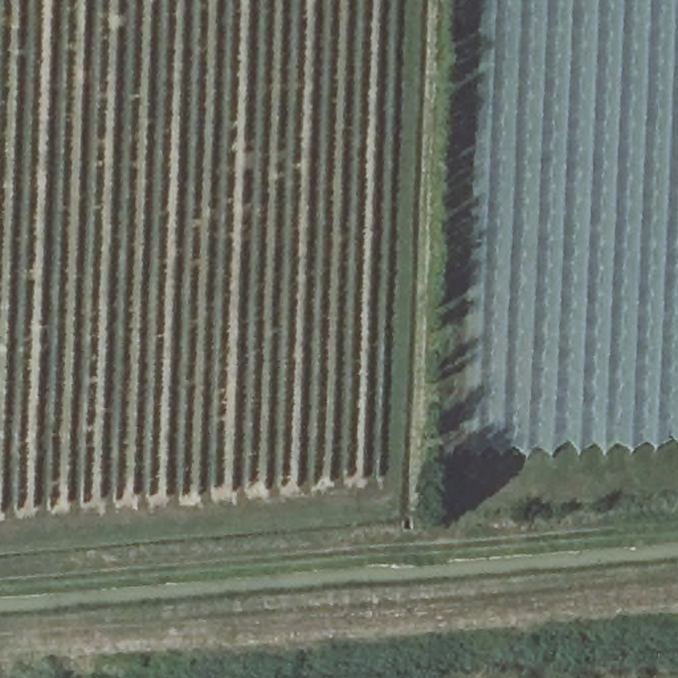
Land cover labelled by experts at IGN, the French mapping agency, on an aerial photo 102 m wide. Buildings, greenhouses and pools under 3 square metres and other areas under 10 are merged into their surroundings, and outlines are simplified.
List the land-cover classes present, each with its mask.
<instances>
[{"label":"vineyard","instance_id":"1","mask_svg":"<svg viewBox=\"0 0 678 678\"><path fill-rule=\"evenodd\" d=\"M456 58L453 0H0V599L82 588H127L146 583H196L220 577H257L395 564L379 561V548H418L416 540H408V509H418V474L426 458L421 437L426 426V405L437 403V387L426 381V344L429 302H440L445 294L448 262L445 151L453 93L450 69Z\"/></svg>","mask_w":678,"mask_h":678},{"label":"deciduous trees","instance_id":"2","mask_svg":"<svg viewBox=\"0 0 678 678\"><path fill-rule=\"evenodd\" d=\"M456 58L450 69L453 93L445 151L448 262L445 294L440 302H429L426 344V381L437 387V403L426 405V426L421 437L426 458L418 474V509H408V540H416L418 548H379V561L395 564L432 567L442 561L577 554L588 548L612 546L636 548L644 543H678V0H453ZM527 498H540L546 503L577 501L583 503V509L567 514L564 519L538 516L532 522H514V506ZM188 606L183 601L135 606L130 601V606L82 609L77 614H45L42 609H32V614L19 617L0 614V652L8 646L11 638L29 628H37V636L42 641H77L90 638L95 633L111 638H164L170 628L180 630L191 620L185 614ZM11 678H678V614H620L606 620L543 622L532 630L477 628L453 633L392 636L379 641L326 638L315 641L310 649L302 652H283L281 646H254L241 652L170 649L79 654L74 659L48 654L37 662L16 659L11 667Z\"/></svg>","mask_w":678,"mask_h":678},{"label":"herbaceous vegetation","instance_id":"3","mask_svg":"<svg viewBox=\"0 0 678 678\"><path fill-rule=\"evenodd\" d=\"M583 509V503L577 501L546 503L540 498H527L514 506V522H532L538 516L564 519L567 514ZM130 601L135 606L183 601L188 606L185 614L191 620L180 630L170 628L164 638H111L95 633L90 638L77 641H42L37 636V628H29L11 638L8 646L0 652V678H11V667L16 659L37 662L48 654L74 659L79 654L170 649L241 652L254 646H281L283 652H302L310 649L315 641L326 638L379 641L392 636L453 633L477 628L532 630L543 622L606 620L620 614H678V543H644L636 548L612 546L588 548L577 554L442 561L432 567L395 564L257 577H220L196 583H146L127 588H82L0 599V614L19 617L32 614V609H42L45 614H77L82 609L130 606Z\"/></svg>","mask_w":678,"mask_h":678}]
</instances>
